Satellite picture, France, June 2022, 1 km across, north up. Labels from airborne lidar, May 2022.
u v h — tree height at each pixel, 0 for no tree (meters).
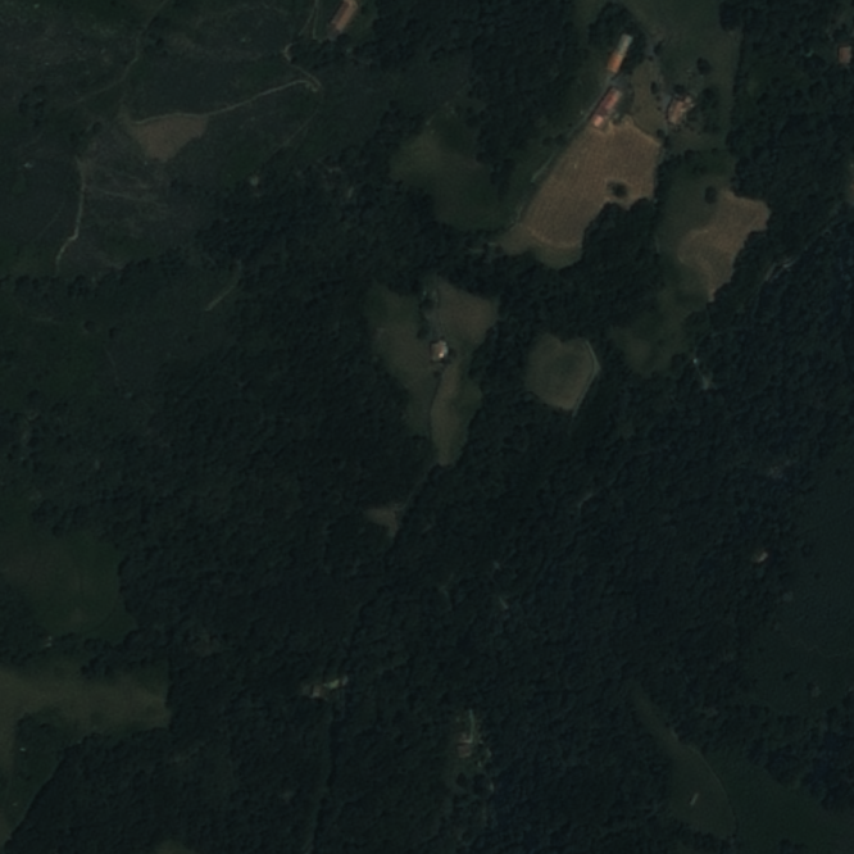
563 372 0
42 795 17
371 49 11
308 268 13
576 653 23
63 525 13
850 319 12
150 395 6
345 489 20
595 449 20
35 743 10
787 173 15
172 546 11
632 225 24
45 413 11
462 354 0
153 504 11
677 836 12
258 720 30
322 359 17
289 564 16
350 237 11
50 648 11
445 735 27
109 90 0
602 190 0
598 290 18
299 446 22
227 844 8
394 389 25
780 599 11
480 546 24
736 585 22
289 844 11
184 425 17
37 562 0
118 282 11
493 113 13
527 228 0
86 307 0
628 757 29
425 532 23
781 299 9
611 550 19
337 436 18
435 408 0
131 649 24
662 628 26
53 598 0
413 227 23
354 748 28
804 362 23
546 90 18
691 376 18
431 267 23
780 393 17
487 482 31
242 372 14
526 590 15
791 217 14
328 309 26
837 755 30
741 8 11
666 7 0
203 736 14
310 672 15
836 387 21
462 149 0
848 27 10
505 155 14
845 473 6
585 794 29
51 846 15
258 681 21
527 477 29
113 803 14
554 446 26
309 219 8
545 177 0
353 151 14
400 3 20
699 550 20
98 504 12
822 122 7
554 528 24
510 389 26
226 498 7
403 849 20
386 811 19
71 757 19
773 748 12
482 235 8
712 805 0
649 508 17
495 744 13
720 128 10
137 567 18
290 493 19
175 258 9
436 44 17
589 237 8
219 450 20
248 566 22
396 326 0
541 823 24
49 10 0
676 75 0
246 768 18
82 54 0
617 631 17
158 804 16
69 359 7
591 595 20
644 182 0
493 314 0
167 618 19
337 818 17
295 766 18
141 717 0
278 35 0
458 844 23
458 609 26
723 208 0
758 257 25
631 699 17
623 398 12
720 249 0
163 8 0
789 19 21
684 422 11
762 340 24
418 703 28
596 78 0
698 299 0
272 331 6
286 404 17
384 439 13
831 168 28
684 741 11
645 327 0
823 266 16
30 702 0
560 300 16
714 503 23
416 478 17
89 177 0
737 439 15
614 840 19
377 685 31
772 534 16
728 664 19
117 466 9
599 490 19
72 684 0
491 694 24
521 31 21
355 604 26
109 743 7
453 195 0
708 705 22
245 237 20
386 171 15
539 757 27
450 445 0
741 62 11
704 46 0
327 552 17
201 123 0
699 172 8
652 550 20
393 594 27
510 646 15
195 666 21
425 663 26
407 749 28
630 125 0
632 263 18
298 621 25
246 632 17
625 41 0
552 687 20
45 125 14
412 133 17
